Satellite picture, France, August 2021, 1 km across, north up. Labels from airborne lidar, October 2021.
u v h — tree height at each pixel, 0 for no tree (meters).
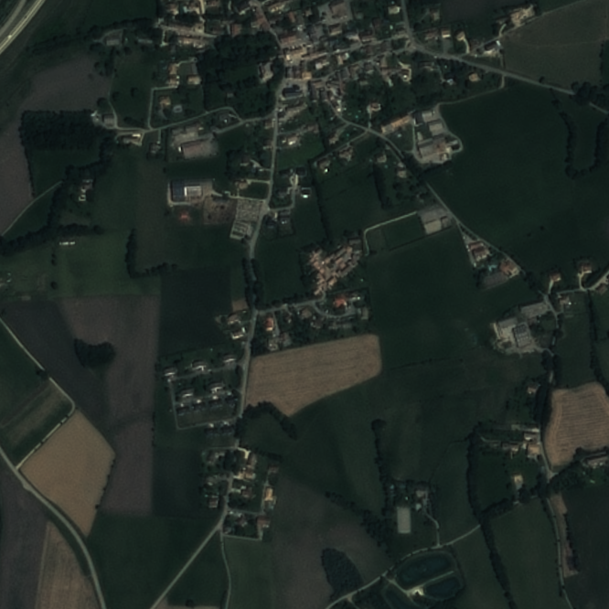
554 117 0
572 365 0
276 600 0
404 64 0
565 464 0
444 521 0
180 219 0
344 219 0
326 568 10
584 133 0
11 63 0
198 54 11
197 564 0
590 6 0
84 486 0
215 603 0
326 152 8
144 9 0
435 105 0
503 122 0
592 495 0
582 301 0
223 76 21
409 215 0
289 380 0
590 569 0
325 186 0
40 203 0
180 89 13
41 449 0
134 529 0
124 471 0
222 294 0
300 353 0
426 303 0
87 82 0
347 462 0
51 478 0
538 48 0
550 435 0
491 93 0
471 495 15
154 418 7
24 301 0
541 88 0
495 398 0
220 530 0
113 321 0
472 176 0
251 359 0
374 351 0
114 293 0
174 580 0
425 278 0
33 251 0
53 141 15
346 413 0
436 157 0
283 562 0
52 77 0
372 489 0
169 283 0
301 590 0
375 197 0
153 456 0
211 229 0
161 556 0
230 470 13
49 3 0
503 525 0
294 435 13
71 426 0
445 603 11
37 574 0
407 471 0
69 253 0
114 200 0
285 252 0
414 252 0
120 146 10
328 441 0
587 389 0
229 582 0
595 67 0
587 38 0
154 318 0
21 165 0
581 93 17
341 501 18
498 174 0
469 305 0
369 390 0
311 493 0
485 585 0
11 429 0
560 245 0
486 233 0
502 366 0
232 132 0
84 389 0
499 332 0
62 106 0
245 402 0
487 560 0
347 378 0
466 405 0
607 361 0
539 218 0
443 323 0
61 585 0
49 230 21
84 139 14
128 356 0
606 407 0
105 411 0
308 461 0
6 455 0
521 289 0
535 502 0
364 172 0
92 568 0
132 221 0
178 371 6
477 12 0
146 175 0
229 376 0
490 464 0
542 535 0
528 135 0
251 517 6
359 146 0
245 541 0
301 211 0
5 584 0
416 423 0
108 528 0
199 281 0
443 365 0
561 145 0
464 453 0
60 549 0
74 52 0
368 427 0
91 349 18
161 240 0
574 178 16
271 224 0
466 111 0
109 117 0
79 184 9
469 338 0
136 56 0
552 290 8
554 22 0
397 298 0
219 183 0
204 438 0
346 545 0
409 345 0
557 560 6
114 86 0
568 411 0
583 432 0
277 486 0
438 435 0
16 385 0
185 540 0
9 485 0
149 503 0
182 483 0
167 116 5
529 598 0
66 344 0
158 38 14
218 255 0
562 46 0
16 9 0
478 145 0
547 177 0
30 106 0
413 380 0
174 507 0
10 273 0
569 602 0
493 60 0
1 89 0
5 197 0
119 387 0
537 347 0
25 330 0
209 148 0
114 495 0
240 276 0
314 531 0
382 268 0
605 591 0
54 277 0
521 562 0
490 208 0
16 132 0
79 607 0
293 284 0
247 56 18
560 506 0
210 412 0
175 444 0
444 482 0
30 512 0
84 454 0
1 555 0
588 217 0
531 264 0
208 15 13
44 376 18
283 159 0
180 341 0
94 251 0
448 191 0
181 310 0
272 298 0
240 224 0
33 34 0
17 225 0
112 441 0
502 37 0
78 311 0
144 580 0
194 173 0
